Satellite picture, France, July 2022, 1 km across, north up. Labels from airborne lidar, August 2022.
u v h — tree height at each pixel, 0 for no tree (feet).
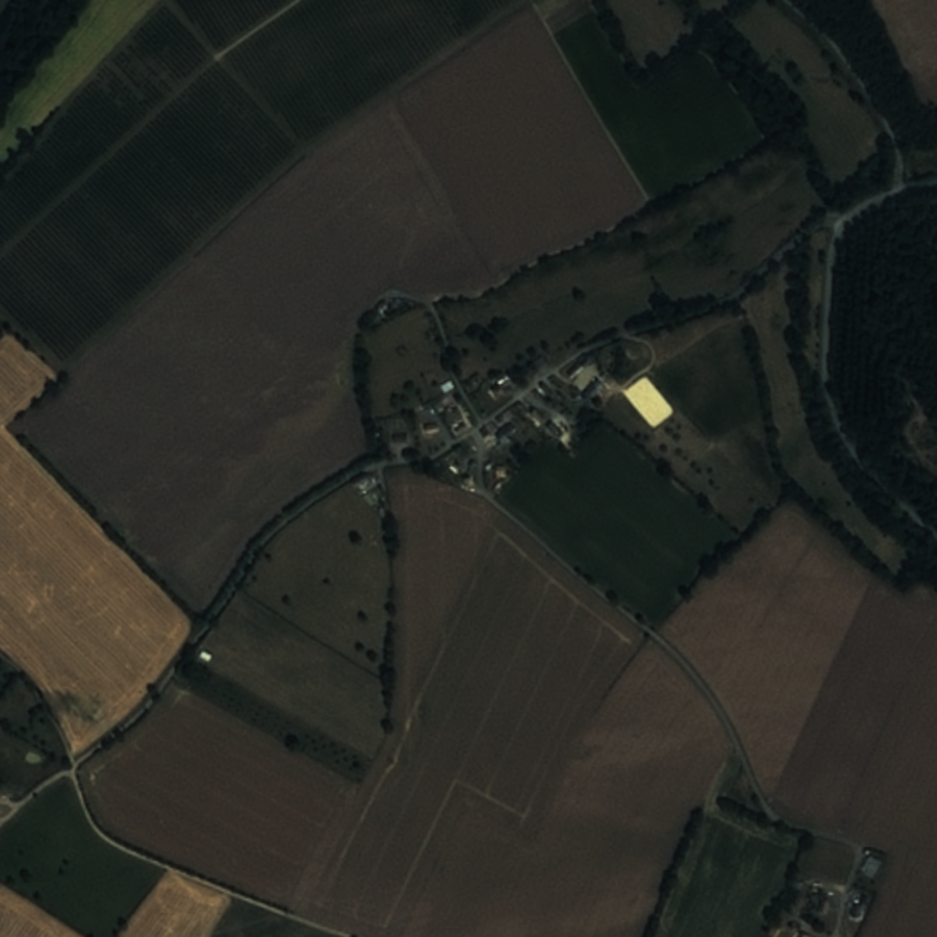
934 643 0
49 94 0
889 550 0
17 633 0
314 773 0
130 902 0
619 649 0
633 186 0
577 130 0
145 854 24
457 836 0
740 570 0
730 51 60
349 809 0
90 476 0
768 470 0
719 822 0
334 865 0
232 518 0
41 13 53
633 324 35
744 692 0
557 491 0
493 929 0
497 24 0
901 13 0
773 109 79
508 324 21
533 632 0
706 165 0
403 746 0
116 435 0
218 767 0
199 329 0
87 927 0
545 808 0
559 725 0
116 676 0
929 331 55
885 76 43
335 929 0
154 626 0
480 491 0
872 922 0
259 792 0
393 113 0
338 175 0
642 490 0
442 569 0
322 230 0
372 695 0
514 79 0
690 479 0
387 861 0
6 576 0
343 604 0
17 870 0
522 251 0
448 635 0
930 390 54
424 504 0
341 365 0
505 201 0
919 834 0
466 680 0
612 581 0
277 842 0
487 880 0
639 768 0
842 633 0
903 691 0
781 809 0
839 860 0
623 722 0
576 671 0
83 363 0
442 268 0
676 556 0
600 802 0
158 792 0
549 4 0
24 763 0
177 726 0
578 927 0
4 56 70
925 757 0
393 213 0
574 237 0
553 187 0
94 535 0
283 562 0
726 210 0
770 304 0
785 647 0
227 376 0
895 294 61
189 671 42
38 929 0
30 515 0
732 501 0
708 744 0
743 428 0
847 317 70
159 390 0
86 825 0
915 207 41
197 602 0
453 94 0
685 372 0
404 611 0
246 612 0
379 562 0
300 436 0
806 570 0
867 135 0
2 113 74
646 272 0
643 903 0
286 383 0
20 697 0
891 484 79
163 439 0
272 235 0
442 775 0
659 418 0
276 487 0
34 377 0
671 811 0
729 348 0
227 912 0
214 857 0
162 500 0
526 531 0
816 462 0
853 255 72
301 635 0
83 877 0
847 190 58
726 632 0
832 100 0
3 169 55
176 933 0
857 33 39
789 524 0
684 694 0
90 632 0
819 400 41
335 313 0
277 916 0
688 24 19
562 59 0
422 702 0
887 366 42
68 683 0
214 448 0
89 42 0
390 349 0
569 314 0
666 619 0
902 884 0
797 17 0
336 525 0
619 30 54
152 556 0
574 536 0
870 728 0
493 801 0
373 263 0
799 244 38
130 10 0
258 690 0
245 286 0
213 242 0
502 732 0
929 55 0
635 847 0
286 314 0
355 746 0
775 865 0
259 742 0
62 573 0
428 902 0
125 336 0
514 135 0
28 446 24
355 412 0
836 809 0
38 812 0
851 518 0
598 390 0
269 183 0
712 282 0
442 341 25
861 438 62
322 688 0
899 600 0
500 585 0
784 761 0
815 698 0
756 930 0
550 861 0
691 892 0
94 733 0
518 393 0
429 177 0
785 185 0
